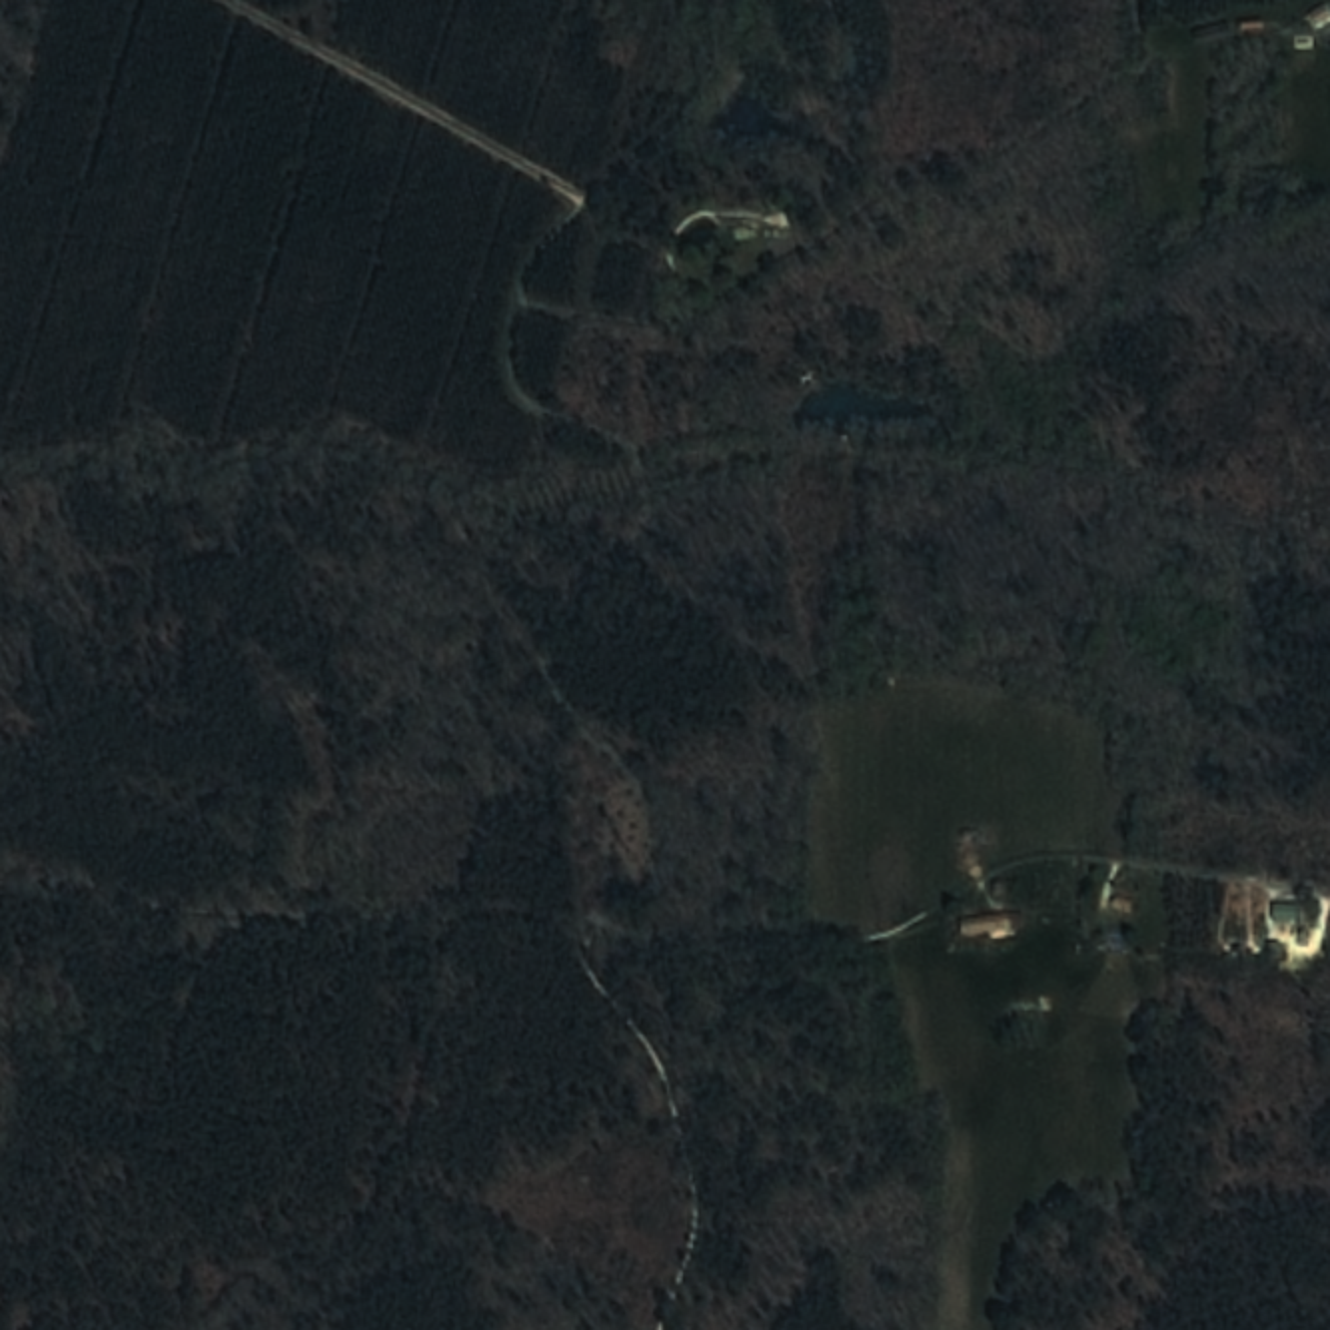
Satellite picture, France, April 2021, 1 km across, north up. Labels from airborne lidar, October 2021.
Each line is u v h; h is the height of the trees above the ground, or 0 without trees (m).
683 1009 25
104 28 14
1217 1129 24
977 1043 0
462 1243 21
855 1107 18
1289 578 18
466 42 7
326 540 21
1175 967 8
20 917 24
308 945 22
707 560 16
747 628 17
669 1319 25
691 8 19
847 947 23
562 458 23
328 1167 24
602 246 10
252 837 20
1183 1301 21
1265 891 0
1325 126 0
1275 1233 28
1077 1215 26
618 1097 23
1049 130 11
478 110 11
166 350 13
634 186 20
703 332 15
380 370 13
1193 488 8
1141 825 14
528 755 16
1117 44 12
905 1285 18
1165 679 13
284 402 12
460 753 22
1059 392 15
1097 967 0
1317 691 26
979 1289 0
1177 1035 11
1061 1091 0
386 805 10
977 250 8
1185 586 21
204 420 14
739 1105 24
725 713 27
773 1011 27
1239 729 15
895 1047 24
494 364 14
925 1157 22
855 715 0
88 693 19
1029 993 0
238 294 12
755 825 16
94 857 21
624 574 25
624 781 14
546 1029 19
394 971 16
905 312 13
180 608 21
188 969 16
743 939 15
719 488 18
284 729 18
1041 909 0
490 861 20
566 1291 16
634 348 12
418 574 19
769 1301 16
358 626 18
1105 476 15
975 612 16
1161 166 0
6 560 15
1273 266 15
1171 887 8
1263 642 20
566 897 19
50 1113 21
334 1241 18
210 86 15
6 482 18
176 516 17
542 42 11
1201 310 15
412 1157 17
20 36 25
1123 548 18
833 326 13
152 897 22
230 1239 20
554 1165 16
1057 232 18
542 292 12
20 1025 21
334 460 18
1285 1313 26
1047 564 15
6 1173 21
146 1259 21
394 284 13
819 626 11
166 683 17
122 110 15
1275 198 13
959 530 14
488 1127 20
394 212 13
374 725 13
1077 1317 18
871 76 26
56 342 12
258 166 15
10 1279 22
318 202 15
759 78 20
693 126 16
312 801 18
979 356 12
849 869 0
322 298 11
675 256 16
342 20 13
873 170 14
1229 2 14
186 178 15
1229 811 26
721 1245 18
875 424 17
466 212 13
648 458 16
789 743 15
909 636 17
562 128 10
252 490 19
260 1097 18
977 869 0
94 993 21
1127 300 15
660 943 14
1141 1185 20
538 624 20
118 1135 21
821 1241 18
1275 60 14
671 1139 13
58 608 19
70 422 13
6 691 14
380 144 8
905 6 8
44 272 13
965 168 17
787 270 15
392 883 8
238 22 9
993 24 8
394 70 9
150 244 12
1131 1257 13
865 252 19
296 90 14
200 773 22
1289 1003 0
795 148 19
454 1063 20
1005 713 0
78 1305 22
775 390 13
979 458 19
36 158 14
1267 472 6
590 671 18
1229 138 15
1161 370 13
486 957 18
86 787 23
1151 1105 19
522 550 16
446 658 16
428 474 16
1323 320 12
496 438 11
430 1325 21
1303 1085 7
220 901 13
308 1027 22
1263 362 9
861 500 9
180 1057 22
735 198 19
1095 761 0
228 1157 21
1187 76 0
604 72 15
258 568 24
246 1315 9
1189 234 21
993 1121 0
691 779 14
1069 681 12
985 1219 0
